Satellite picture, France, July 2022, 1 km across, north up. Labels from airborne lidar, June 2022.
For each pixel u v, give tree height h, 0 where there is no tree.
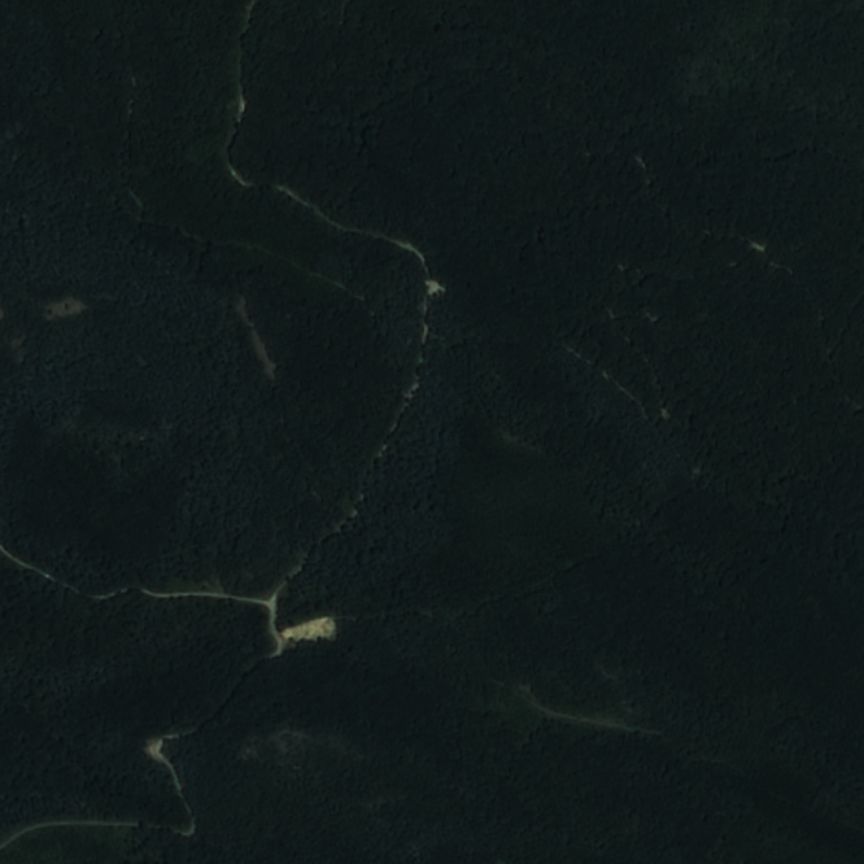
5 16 17
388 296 9
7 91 16
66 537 18
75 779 17
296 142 23
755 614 9
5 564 19
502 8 24
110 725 14
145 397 18
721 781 12
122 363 15
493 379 9
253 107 15
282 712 18
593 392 15
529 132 20
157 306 13
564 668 9
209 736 10
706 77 6
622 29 16
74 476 16
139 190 10
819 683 7
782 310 21
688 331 13
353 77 23
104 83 21
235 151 20
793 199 19
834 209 17
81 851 6
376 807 6
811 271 17
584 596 9
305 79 21
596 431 17
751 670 10
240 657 9
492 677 8
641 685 12
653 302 15
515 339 17
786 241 16
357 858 10
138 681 24
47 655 13
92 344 15
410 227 10
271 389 10
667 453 18
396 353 15
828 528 23
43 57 19
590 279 18
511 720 6
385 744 11
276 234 10
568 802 11
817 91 11
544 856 10
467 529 11
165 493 17
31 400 17
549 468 8
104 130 14
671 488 19
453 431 10
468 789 11
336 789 10
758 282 16
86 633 10
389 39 24
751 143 21
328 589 14
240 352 8
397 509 25
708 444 11
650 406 11
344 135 28
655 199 15
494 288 23
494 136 15
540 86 16
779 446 22
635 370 17
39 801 12
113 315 9
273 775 10
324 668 16
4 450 15
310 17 17
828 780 10
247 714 15
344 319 17
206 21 15
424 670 12
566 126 15
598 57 18
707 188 22
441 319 20
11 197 14
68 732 18
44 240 18
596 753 13
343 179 21
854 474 23
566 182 22
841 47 17
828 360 9
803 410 24
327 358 14
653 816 12
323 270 13
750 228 17
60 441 14
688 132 20
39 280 13
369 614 9
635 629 13
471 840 10
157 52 21
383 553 23
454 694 16
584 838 12
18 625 16
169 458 17
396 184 18
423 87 22
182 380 22
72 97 12
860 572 25
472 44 18
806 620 9
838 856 7
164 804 15
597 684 7
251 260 8
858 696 7
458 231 15
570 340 12
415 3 24
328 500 14
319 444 19
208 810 9
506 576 6
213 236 9
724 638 7
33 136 11
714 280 14
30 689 17
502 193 22
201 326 16
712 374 20
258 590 9
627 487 16
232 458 22
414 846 8
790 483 26
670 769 13
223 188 15
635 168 13
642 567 17
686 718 13
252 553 14
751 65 10
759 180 17
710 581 16
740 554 18
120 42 16
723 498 18
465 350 12
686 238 18
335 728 7
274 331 12
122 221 17
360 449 14
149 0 16
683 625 14
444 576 13
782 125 18
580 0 17
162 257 18
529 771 10
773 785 10
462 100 15
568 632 15
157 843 16
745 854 7
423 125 22
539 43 19
